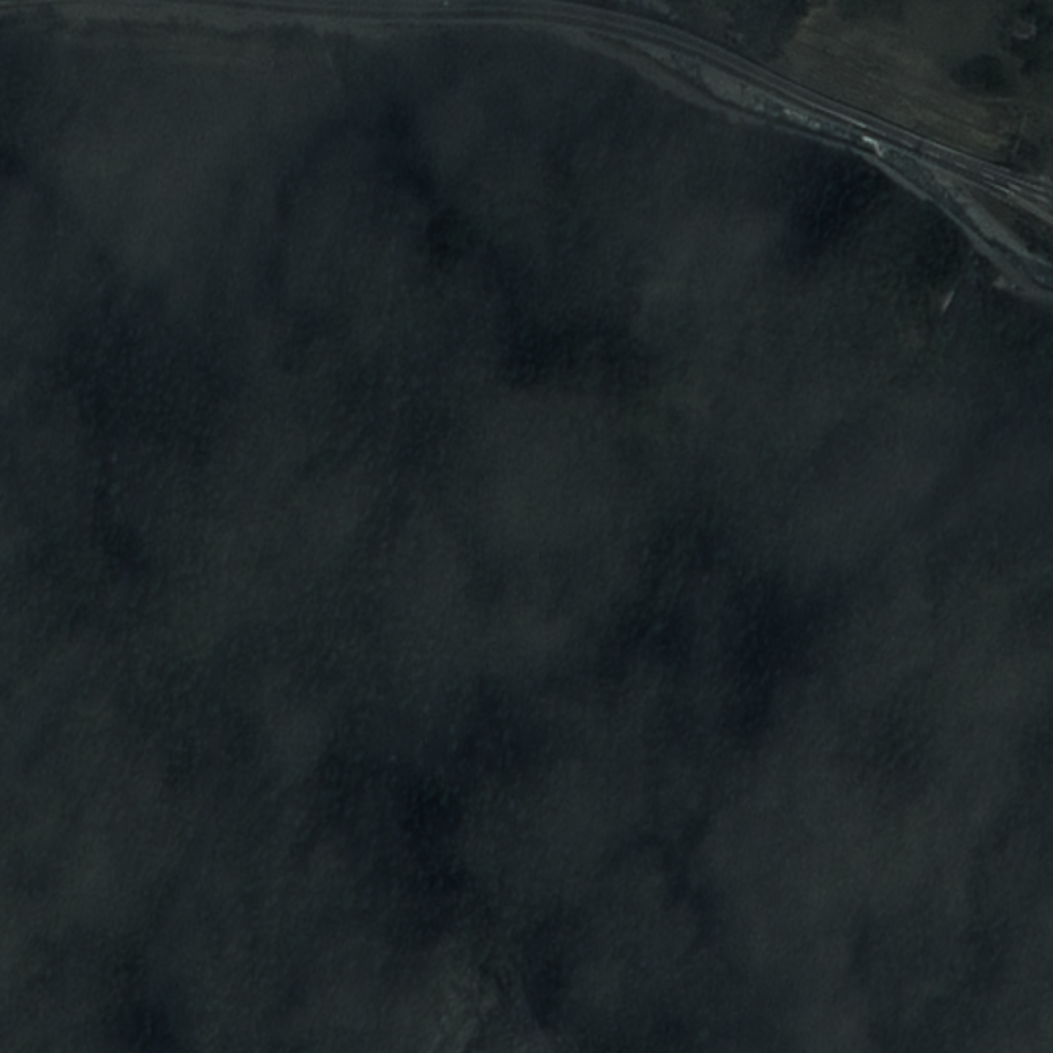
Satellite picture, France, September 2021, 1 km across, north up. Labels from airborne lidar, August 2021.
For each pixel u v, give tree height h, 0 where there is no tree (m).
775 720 25
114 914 21
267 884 13
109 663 16
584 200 18
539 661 34
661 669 11
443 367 26
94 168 27
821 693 16
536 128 18
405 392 38
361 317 30
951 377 16
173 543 30
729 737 28
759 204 8
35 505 30
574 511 29
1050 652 26
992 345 19
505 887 36
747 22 8
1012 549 14
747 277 29
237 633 12
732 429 14
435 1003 40
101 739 25
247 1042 32
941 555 29
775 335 13
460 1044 0
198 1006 33
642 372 11
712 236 7
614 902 38
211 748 16
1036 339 21
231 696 22
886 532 21
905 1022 16
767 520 17
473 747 34
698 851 34
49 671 8
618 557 30
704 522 13
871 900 34
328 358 27
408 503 38
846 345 22
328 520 28
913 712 29
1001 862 18
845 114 0
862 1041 17
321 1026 29
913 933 30
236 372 35
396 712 38
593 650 29
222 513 10
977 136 0
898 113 0
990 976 13
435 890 41
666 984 7
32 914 23
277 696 16
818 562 21
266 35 10
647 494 24
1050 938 17
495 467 30
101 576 29
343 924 29
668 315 24
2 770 0
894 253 11
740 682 34
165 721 10
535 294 27
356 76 13
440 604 30
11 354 11
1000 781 11
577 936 43
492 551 28
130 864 22
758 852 22
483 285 25
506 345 24
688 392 11
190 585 17
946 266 15
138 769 15
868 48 0
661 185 14
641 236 15
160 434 35
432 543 32
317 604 15
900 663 33
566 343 21
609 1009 34
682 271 29
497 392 31
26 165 12
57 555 32
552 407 19
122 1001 16
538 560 27
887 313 19
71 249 25
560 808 40
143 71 13
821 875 28
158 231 19
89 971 19
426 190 18
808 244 10
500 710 33
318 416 31
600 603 30
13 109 27
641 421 16
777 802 11
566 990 37
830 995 33
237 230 16
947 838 22
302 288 28
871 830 15
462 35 0
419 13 0
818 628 28
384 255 38
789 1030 21
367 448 33
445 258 21
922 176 0
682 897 32
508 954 37
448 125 18
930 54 0
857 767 27
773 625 19
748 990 18
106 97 19
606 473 30
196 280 20
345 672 36
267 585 14
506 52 11
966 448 26
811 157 11
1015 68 0
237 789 22
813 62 0
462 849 36
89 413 14
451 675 30
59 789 20
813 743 25
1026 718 29
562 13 0
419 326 20
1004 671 22
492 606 31
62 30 7
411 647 38
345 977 33
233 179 17
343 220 25
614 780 22
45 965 9
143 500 10
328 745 31
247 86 10
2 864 14
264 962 34
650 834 33
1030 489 17
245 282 27
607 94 7
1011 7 6
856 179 9
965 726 33
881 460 28
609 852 37
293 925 29
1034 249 8
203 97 18
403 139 19
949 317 0
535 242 19
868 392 21
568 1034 31
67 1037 16
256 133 13
